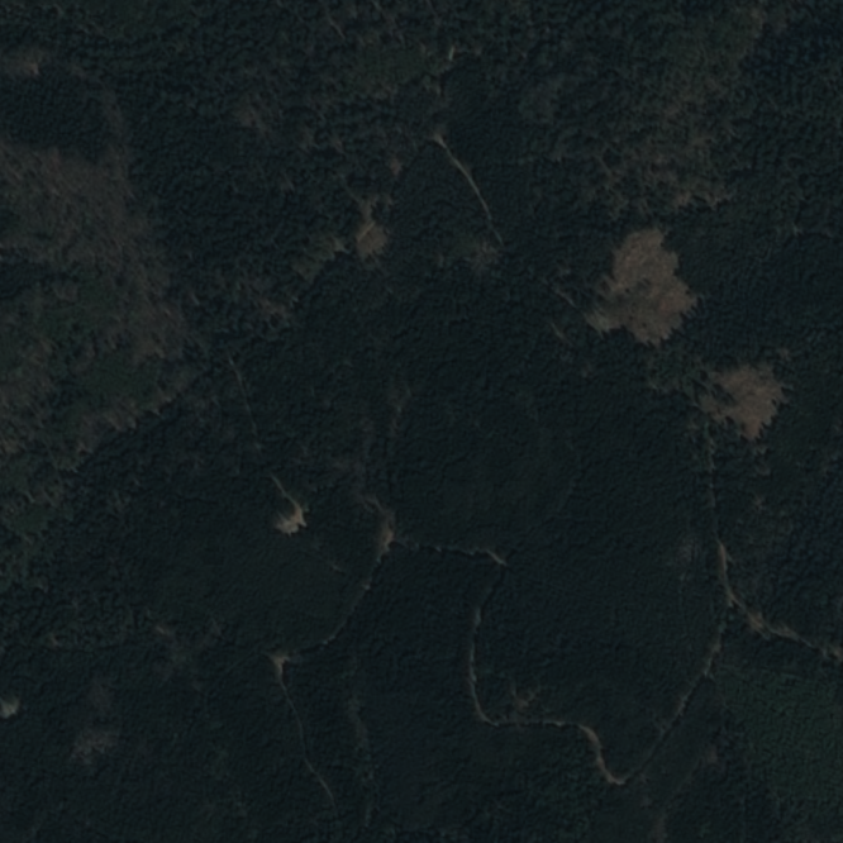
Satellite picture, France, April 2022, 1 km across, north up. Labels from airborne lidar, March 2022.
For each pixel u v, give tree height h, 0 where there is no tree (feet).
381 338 52
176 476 38
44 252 67
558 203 71
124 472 72
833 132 82
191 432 65
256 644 59
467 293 65
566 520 56
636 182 24
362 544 45
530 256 62
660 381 32
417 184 67
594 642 60
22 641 46
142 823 59
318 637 41
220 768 52
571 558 57
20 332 43
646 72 35
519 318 68
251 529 52
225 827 52
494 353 50
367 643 67
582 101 38
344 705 60
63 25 33
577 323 69
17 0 35
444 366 43
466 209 57
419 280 52
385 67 52
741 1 68
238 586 48
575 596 41
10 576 80
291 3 66
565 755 34
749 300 66
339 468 51
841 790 64
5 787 54
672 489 47
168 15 89
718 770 50
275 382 47
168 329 82
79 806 58
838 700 49
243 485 56
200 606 53
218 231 69
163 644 54
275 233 73
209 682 53
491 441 41
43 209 58
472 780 45
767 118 81
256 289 63
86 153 73
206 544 44
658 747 41
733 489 52
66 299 68
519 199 57
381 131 66
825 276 62
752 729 62
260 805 55
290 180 77
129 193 70
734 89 38
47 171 74
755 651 55
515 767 36
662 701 46
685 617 49
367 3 62
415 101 70
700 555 44
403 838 58
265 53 72
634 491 41
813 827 51
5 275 51
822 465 76
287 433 47
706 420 82
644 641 43
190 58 39
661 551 46
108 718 68
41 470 46
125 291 87
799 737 56
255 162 81
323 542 46
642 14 85
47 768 67
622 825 50
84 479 52
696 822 28
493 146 52
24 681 79
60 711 64
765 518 48
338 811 60
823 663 46
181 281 78
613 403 44
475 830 47
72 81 79
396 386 56
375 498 87
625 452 39
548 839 33
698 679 41
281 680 40
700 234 65
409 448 46
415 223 63
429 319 64
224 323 79
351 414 72
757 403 0
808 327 57
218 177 76
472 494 48
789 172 96
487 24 56
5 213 66
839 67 81
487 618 43
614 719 44
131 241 84
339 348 48
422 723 50
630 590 47
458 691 50
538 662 50
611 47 37
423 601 43
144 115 50
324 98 70
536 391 53
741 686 62
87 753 60
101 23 31
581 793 35
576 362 62
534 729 41
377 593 71
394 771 53
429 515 38
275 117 70
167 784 53
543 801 47
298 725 59
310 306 81
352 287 72
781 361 49
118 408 64
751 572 71
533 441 44
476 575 66
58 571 54
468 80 45
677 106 58
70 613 76
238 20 87
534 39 80
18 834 59
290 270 64
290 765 64
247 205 65
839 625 64
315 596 51
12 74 74
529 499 52
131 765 70
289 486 60
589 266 67
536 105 71
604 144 32
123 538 45
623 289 0
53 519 49
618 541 36
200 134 56
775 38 52
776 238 87
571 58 34
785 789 55
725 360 66
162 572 53
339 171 83
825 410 54
